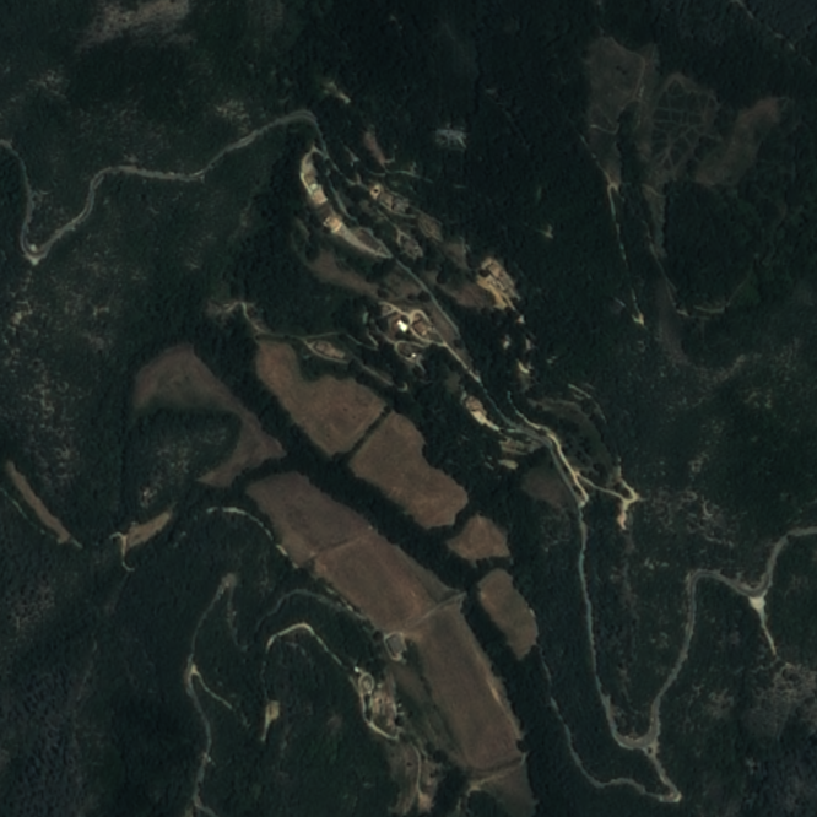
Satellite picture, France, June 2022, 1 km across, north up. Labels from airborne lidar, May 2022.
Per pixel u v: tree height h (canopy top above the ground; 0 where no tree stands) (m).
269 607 9
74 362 6
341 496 10
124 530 10
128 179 9
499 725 0
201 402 0
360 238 0
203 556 8
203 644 7
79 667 7
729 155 0
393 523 21
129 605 6
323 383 0
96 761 7
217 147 11
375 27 10
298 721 8
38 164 6
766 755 8
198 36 6
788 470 12
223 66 9
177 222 11
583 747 8
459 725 0
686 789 8
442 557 22
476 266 15
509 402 8
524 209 13
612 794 11
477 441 10
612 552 6
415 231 11
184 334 10
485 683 0
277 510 0
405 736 6
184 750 10
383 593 0
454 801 14
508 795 0
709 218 10
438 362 17
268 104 10
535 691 11
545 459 13
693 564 7
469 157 14
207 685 7
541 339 12
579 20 11
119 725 13
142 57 8
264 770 9
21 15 7
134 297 9
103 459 14
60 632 10
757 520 6
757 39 14
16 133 6
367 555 0
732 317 12
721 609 9
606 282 11
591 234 11
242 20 9
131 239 10
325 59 17
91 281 6
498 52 16
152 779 6
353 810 6
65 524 7
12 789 8
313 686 10
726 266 13
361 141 8
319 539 0
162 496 8
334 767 11
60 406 6
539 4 14
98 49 7
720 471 8
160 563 7
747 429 13
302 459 17
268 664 8
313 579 10
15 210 10
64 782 10
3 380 6
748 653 9
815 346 6
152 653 6
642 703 7
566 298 11
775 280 7
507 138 17
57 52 6
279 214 15
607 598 7
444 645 0
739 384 9
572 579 9
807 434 8
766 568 8
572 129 11
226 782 12
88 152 6
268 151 9
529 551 12
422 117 9
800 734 7
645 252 5
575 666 7
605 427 11
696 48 13
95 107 9
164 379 0
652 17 8
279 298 12
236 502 11
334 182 12
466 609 13
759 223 11
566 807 9
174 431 8
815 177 12
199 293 13
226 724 8
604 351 14
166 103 9
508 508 9
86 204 8
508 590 0
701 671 9
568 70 15
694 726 7
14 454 9
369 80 11
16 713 10
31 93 6
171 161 6
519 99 21
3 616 9
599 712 7
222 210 6
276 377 0
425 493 0
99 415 10
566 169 15
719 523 0
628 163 14
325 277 0
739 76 12
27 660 12
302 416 0
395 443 0
